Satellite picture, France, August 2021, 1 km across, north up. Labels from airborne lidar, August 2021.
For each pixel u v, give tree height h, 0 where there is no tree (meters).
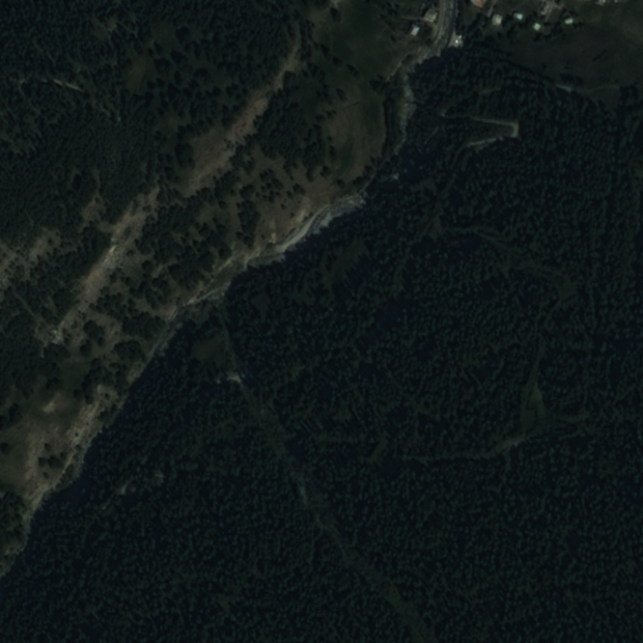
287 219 0
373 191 12
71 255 19
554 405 15
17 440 0
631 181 26
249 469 23
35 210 17
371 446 6
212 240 23
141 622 28
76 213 20
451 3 0
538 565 20
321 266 19
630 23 0
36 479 0
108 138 12
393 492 10
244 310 11
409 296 8
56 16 14
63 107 22
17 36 12
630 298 31
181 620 20
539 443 6
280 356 15
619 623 18
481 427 24
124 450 15
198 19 27
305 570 18
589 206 25
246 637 26
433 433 20
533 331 29
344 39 0
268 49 19
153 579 26
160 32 0
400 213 17
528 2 0
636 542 24
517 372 13
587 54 0
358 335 21
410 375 26
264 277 12
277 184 20
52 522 17
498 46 14
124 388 17
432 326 24
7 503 10
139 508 21
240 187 0
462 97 18
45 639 12
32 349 19
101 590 13
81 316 7
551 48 0
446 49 0
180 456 27
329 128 0
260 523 17
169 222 24
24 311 25
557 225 25
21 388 25
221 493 30
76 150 18
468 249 12
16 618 13
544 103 30
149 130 24
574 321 12
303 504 23
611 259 19
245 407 19
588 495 17
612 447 14
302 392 10
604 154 25
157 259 20
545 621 17
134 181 22
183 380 11
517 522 23
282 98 24
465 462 7
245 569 7
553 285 7
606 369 12
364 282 24
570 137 29
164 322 12
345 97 12
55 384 18
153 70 0
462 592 24
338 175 0
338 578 17
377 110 0
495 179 17
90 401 18
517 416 12
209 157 0
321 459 21
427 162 11
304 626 21
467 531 27
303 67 0
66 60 19
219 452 27
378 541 27
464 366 27
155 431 18
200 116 25
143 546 23
